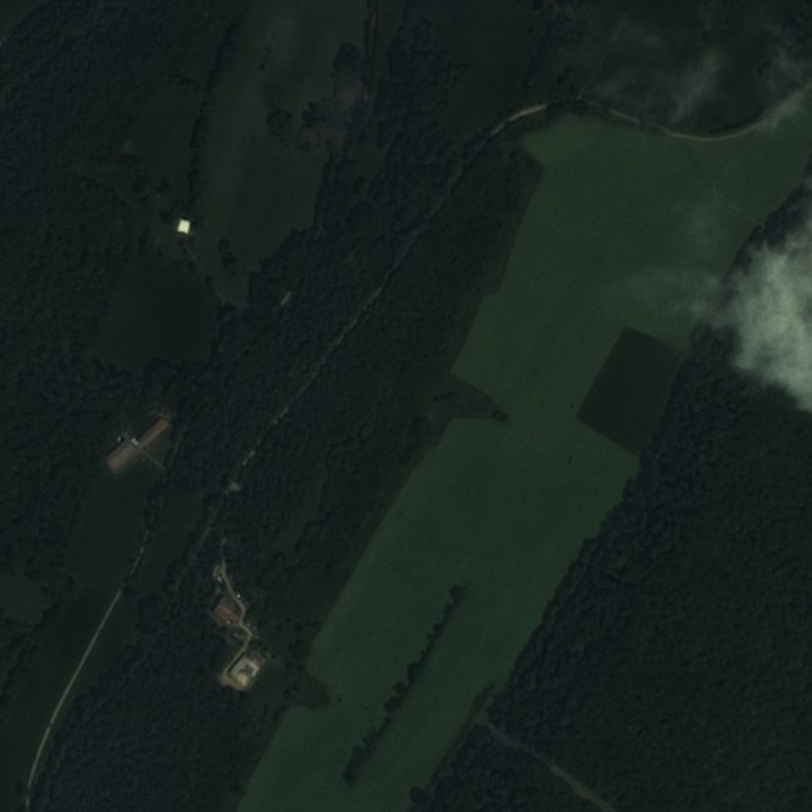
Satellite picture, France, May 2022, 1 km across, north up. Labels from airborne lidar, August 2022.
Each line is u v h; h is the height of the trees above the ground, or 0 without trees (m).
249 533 10
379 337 10
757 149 0
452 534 0
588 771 15
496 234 15
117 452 0
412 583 0
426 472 0
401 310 10
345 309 13
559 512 0
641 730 14
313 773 0
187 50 18
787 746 17
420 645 0
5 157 23
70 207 21
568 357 0
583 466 0
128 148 0
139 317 0
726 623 13
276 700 0
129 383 25
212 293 6
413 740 0
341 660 0
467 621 0
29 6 0
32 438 22
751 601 13
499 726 24
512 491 0
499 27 0
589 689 17
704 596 18
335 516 10
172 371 20
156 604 22
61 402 28
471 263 17
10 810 0
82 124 18
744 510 16
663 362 0
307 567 9
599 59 0
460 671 0
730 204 0
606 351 0
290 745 0
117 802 18
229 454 12
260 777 0
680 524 19
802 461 17
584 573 7
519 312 0
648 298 0
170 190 19
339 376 14
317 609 0
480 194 9
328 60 0
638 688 17
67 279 24
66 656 0
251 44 0
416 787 0
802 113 0
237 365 15
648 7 0
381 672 0
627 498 15
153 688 18
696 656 16
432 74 21
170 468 8
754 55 0
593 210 0
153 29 22
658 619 17
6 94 10
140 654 15
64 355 25
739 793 15
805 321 21
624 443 0
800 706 17
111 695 20
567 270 0
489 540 0
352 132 17
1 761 0
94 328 22
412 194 18
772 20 0
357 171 12
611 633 25
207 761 19
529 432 0
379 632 0
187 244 10
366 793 0
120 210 22
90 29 22
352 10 0
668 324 0
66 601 14
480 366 0
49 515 23
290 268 20
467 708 0
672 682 15
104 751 18
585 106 13
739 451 17
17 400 23
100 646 0
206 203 0
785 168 0
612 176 0
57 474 22
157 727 18
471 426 0
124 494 0
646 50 0
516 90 0
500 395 0
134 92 17
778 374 18
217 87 14
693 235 0
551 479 0
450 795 25
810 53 0
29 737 0
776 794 17
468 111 0
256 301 21
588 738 11
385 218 7
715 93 0
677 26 0
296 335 12
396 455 16
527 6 16
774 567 15
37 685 0
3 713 15
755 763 14
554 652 23
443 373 0
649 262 0
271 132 6
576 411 0
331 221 18
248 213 0
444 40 0
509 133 13
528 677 27
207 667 16
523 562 0
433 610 0
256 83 0
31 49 11
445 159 6
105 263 24
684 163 0
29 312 20
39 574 22
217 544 11
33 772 0
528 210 0
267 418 10
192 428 10
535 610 0
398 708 15
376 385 11
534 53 0
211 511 15
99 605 0
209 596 6
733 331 23
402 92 17
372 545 0
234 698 16
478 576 0
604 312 0
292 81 0
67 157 21
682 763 18
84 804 16
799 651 10
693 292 0
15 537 23
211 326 0
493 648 0
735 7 26
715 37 23
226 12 16
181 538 0
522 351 0
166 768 21
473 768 30
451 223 13
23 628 12
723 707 20
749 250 9
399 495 0
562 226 0
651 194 0
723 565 19
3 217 25
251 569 17
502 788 26
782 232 24
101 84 21
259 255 0
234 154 0
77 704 8
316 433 11
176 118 0
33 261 20
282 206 0
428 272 14
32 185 16
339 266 7
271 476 7
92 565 0
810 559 8
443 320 14
